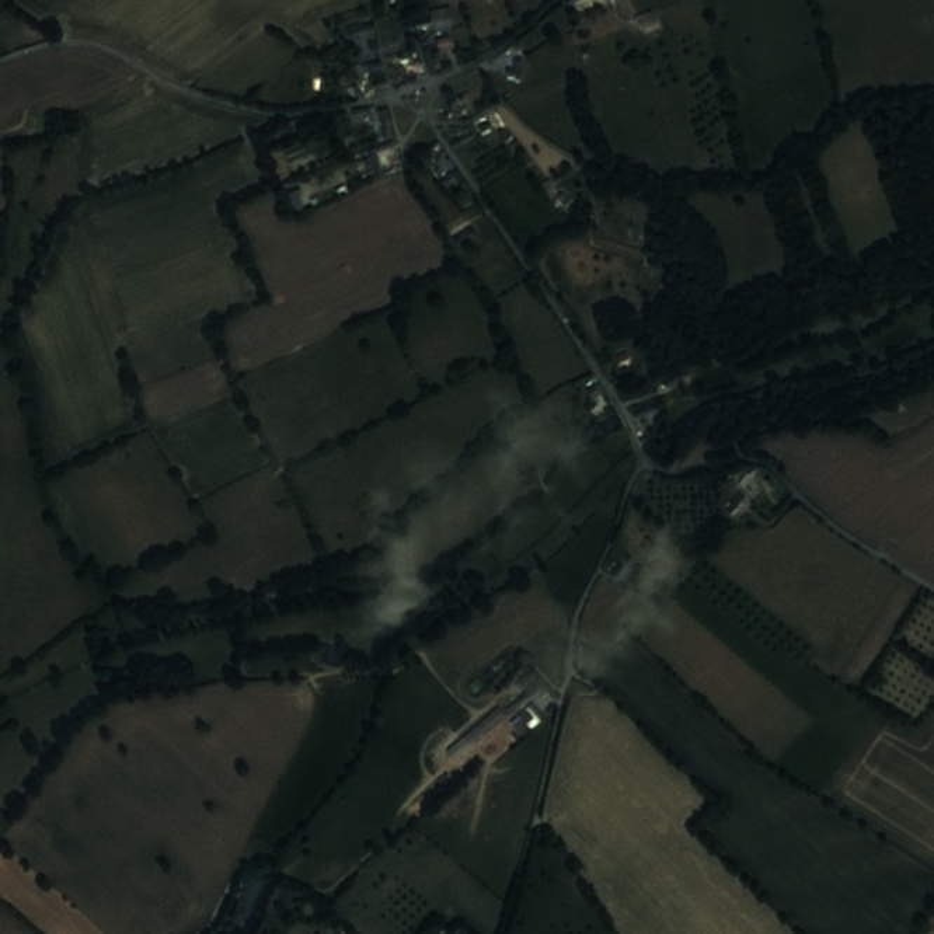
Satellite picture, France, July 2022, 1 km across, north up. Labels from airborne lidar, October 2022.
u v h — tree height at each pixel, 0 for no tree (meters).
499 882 0
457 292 0
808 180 25
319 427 0
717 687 0
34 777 14
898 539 0
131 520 0
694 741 0
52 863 0
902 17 0
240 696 0
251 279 14
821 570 0
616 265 0
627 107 0
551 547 0
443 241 6
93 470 0
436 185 7
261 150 16
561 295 8
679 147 0
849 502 0
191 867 0
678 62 0
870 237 0
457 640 0
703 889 0
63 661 0
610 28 0
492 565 0
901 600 0
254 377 0
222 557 0
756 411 19
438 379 0
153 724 0
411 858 0
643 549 0
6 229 6
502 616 0
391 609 0
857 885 0
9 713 0
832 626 0
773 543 0
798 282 20
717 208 0
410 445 0
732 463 14
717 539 21
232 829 0
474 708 0
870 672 8
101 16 0
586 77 19
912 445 0
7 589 0
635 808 0
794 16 0
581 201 8
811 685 0
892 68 0
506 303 0
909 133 16
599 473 0
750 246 0
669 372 24
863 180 0
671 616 0
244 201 14
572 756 0
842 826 0
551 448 0
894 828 0
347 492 0
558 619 0
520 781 0
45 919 0
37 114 0
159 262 0
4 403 0
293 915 7
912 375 13
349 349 0
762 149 0
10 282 0
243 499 0
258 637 0
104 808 0
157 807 0
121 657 0
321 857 0
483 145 6
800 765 0
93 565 11
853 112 22
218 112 0
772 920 0
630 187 22
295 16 0
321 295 0
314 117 12
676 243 28
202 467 0
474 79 0
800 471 0
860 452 0
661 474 7
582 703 0
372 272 0
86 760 0
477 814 0
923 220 23
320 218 0
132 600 7
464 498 0
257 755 0
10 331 18
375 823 0
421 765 0
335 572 22
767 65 0
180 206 0
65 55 0
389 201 0
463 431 0
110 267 0
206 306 0
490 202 9
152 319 0
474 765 10
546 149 0
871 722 0
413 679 0
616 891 0
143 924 0
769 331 28
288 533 0
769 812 0
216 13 0
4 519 0
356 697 0
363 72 0
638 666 0
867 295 31
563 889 0
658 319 29
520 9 0
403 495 0
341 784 10
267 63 0
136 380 19
